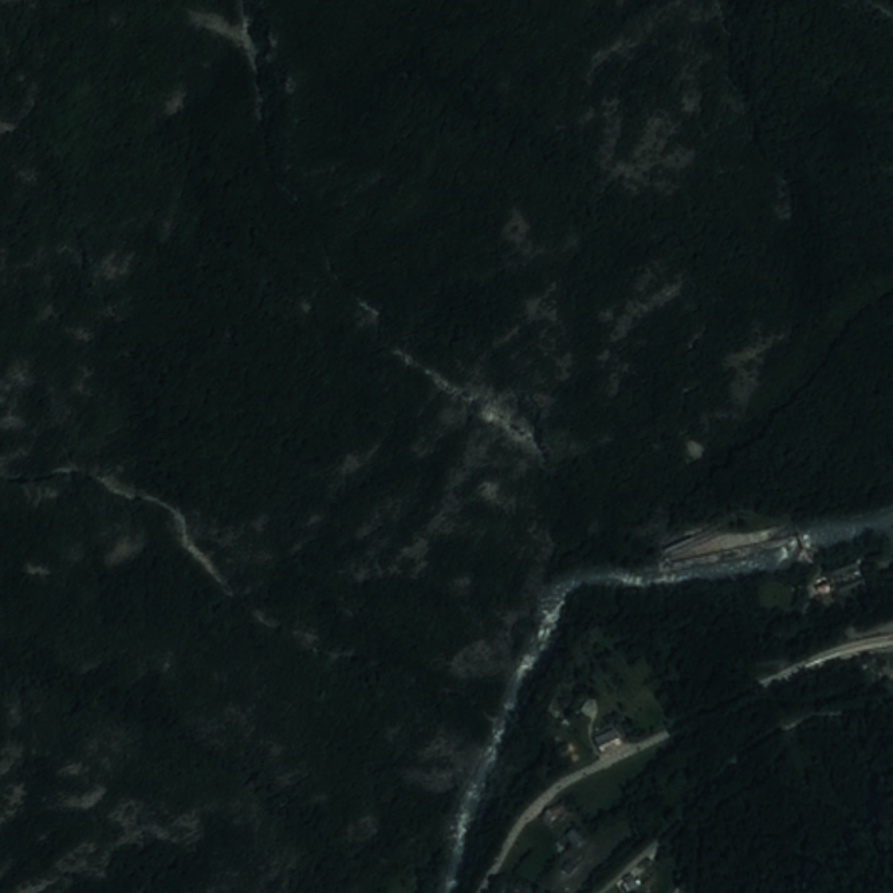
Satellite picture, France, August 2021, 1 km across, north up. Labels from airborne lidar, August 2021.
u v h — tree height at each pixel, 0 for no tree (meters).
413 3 30
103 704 18
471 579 6
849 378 15
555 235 7
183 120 21
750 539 0
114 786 10
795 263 19
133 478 11
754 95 18
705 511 12
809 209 26
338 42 18
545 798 0
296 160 12
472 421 14
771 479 19
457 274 10
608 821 19
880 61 15
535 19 18
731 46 11
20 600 23
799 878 29
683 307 12
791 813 9
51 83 21
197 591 19
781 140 11
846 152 22
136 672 9
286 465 17
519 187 17
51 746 10
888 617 14
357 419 18
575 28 15
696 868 22
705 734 20
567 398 14
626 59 9
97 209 10
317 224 15
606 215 20
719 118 11
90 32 13
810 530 0
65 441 15
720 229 21
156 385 27
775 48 14
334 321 13
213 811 9
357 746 22
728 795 23
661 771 15
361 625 19
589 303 17
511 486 7
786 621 18
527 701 10
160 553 19
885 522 0
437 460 17
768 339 11
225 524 11
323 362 22
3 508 15
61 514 13
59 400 11
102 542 7
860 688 16
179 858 17
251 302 27
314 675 14
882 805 29
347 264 16
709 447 6
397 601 16
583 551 13
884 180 22
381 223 16
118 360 17
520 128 20
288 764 13
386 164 18
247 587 9
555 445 8
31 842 12
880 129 16
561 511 16
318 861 21
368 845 13
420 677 17
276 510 22
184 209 16
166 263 23
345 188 12
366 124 21
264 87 15
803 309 21
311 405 26
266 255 26
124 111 24
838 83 17
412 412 12
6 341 17
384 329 10
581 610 14
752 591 15
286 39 10
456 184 15
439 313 19
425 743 9
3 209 12
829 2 8
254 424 24
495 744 0
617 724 7
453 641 19
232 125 20
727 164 18
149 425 34
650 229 21
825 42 15
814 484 20
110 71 15
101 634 16
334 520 22
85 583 21
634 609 16
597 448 15
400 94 24
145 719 16
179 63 12
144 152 15
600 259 14
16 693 7
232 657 8
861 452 18
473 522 9
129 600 21
